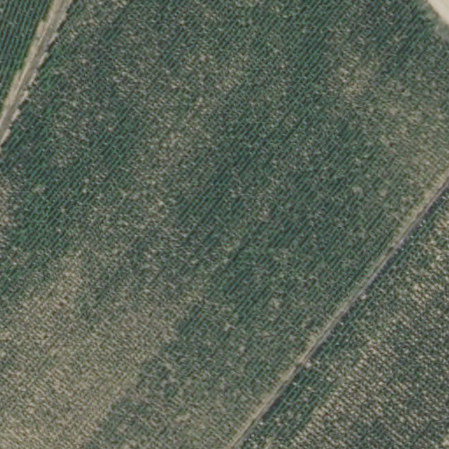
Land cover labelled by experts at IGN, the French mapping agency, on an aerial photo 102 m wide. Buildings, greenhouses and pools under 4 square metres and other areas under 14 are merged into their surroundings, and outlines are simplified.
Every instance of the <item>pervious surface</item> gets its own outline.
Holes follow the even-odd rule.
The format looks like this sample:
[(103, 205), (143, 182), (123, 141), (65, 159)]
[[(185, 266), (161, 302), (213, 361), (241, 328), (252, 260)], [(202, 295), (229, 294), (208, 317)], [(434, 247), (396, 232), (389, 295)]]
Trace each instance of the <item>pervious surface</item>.
[(438, 12), (440, 19), (449, 25), (449, 0), (428, 0), (428, 4)]

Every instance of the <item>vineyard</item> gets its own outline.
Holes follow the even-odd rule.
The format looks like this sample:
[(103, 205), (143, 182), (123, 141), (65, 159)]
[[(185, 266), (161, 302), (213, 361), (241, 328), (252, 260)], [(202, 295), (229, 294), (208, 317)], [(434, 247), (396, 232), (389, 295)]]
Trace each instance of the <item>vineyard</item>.
[(0, 449), (449, 449), (449, 25), (440, 19), (438, 12), (428, 4), (428, 0), (0, 0)]

